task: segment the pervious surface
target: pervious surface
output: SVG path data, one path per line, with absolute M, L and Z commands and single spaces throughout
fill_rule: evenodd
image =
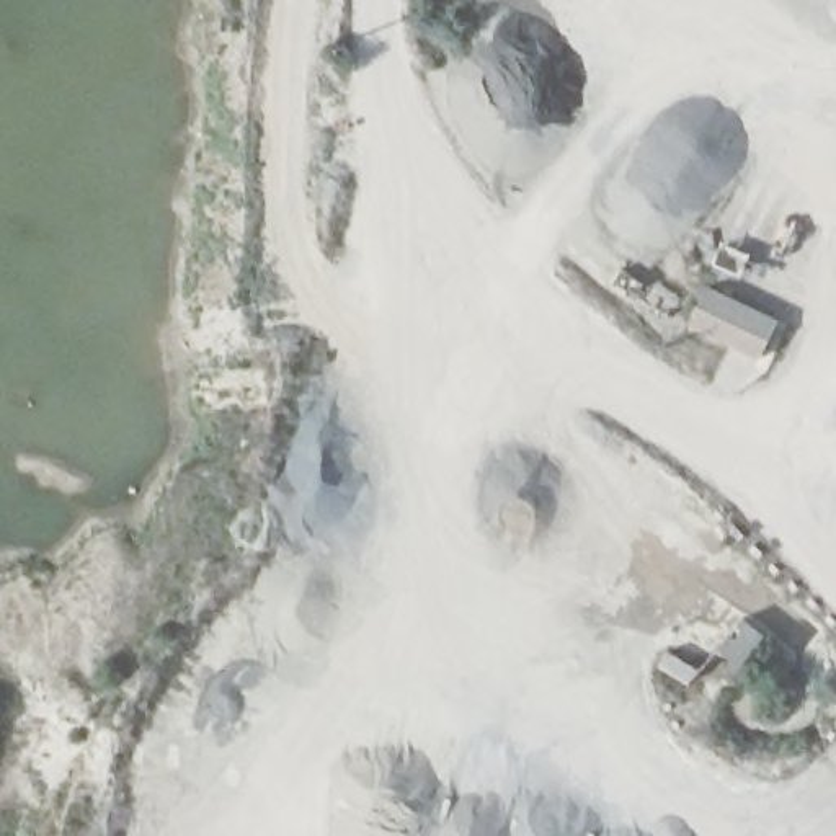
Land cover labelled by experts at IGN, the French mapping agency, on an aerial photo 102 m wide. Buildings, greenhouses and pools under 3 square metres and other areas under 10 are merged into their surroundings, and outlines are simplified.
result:
M 307 392 L 297 402 L 300 425 L 287 451 L 284 477 L 268 490 L 268 500 L 261 506 L 242 509 L 229 523 L 235 549 L 265 549 L 274 555 L 274 562 L 261 571 L 258 585 L 245 591 L 238 601 L 232 601 L 229 611 L 206 630 L 196 653 L 186 656 L 180 679 L 170 686 L 144 738 L 131 732 L 114 738 L 111 732 L 105 732 L 101 722 L 95 722 L 85 712 L 82 692 L 69 686 L 65 669 L 95 673 L 95 666 L 101 663 L 108 656 L 108 640 L 118 624 L 118 614 L 111 611 L 114 568 L 124 562 L 124 555 L 105 516 L 88 516 L 56 549 L 0 549 L 0 673 L 13 679 L 23 692 L 23 712 L 13 722 L 13 735 L 7 741 L 7 758 L 0 767 L 0 836 L 836 836 L 836 702 L 803 699 L 803 705 L 790 718 L 774 722 L 758 715 L 754 696 L 745 696 L 735 705 L 741 725 L 767 735 L 784 735 L 810 725 L 826 741 L 826 751 L 816 758 L 738 758 L 735 748 L 712 748 L 715 699 L 725 686 L 715 676 L 718 656 L 712 656 L 718 643 L 728 634 L 735 634 L 745 620 L 761 637 L 771 637 L 784 647 L 800 643 L 803 650 L 810 650 L 810 656 L 816 656 L 823 669 L 833 669 L 829 686 L 836 692 L 836 0 L 425 0 L 431 3 L 434 16 L 454 13 L 460 23 L 457 42 L 464 59 L 434 69 L 418 56 L 411 42 L 405 23 L 408 0 L 193 0 L 180 29 L 186 52 L 183 62 L 193 75 L 193 140 L 183 160 L 183 189 L 173 199 L 173 212 L 180 219 L 173 300 L 170 317 L 160 323 L 157 333 L 160 369 L 170 398 L 180 385 L 189 398 L 206 398 L 206 405 L 216 411 L 278 405 L 284 392 L 284 362 L 297 349 L 297 340 L 304 340 L 310 330 L 336 349 L 336 359 L 323 369 L 323 376 L 307 379 Z M 362 36 L 366 56 L 372 62 L 359 65 L 356 72 L 336 69 L 323 56 L 323 49 L 336 42 L 336 36 L 343 33 Z M 265 268 L 271 268 L 281 281 L 281 300 L 258 304 L 261 310 L 284 310 L 284 317 L 265 320 L 261 340 L 245 330 L 242 310 L 235 304 L 235 281 L 245 251 L 245 111 L 258 111 L 265 118 Z M 692 294 L 699 300 L 696 310 L 705 314 L 725 294 L 771 317 L 774 333 L 767 340 L 767 353 L 725 353 L 699 333 L 656 333 L 640 310 L 643 300 L 656 307 L 663 291 L 669 291 L 673 297 Z M 653 673 L 653 656 L 666 647 L 676 660 L 692 666 L 689 683 L 676 683 L 666 673 Z

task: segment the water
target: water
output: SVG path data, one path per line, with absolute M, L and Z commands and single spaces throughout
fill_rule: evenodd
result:
M 131 503 L 127 487 L 147 490 L 157 464 L 167 457 L 173 434 L 170 398 L 160 369 L 157 333 L 160 323 L 170 317 L 173 300 L 180 219 L 173 212 L 173 199 L 183 189 L 183 160 L 193 140 L 193 75 L 183 62 L 186 52 L 180 29 L 193 0 L 0 0 L 0 549 L 56 549 L 88 516 L 105 516 Z

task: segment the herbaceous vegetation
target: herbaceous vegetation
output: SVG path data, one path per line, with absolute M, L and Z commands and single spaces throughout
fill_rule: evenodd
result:
M 738 758 L 816 758 L 826 751 L 826 741 L 810 725 L 784 735 L 767 735 L 741 725 L 735 705 L 745 696 L 741 686 L 732 686 L 725 686 L 715 699 L 712 748 L 735 748 Z
M 131 732 L 144 738 L 170 686 L 180 679 L 186 656 L 196 653 L 206 630 L 229 611 L 232 601 L 238 601 L 245 591 L 258 585 L 261 571 L 274 562 L 274 555 L 265 549 L 235 549 L 229 523 L 242 509 L 261 506 L 268 500 L 268 490 L 284 477 L 287 451 L 300 425 L 297 402 L 307 392 L 307 379 L 323 376 L 323 369 L 336 359 L 336 349 L 310 330 L 304 340 L 297 340 L 297 349 L 284 362 L 284 392 L 278 405 L 216 411 L 206 405 L 206 398 L 189 398 L 180 385 L 170 398 L 173 434 L 167 457 L 157 464 L 147 490 L 127 487 L 131 503 L 105 516 L 124 555 L 124 562 L 114 568 L 111 611 L 118 614 L 118 624 L 108 640 L 108 656 L 121 650 L 134 653 L 134 676 L 114 686 L 108 666 L 101 663 L 95 666 L 95 673 L 65 669 L 69 686 L 82 692 L 85 712 L 95 722 L 101 722 L 105 732 L 111 732 L 114 738 Z
M 242 310 L 245 330 L 261 340 L 265 320 L 284 317 L 284 310 L 261 310 L 258 304 L 281 300 L 281 281 L 271 268 L 265 268 L 265 118 L 258 111 L 245 111 L 245 251 L 235 281 L 235 304 Z
M 7 758 L 7 741 L 13 735 L 13 722 L 23 712 L 23 692 L 13 679 L 0 673 L 0 767 Z

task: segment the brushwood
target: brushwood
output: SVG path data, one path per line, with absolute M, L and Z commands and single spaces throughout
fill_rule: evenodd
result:
M 336 42 L 323 49 L 323 56 L 336 69 L 356 72 L 359 65 L 372 62 L 366 56 L 362 36 L 343 33 L 336 36 Z
M 745 696 L 754 696 L 758 715 L 774 722 L 790 718 L 803 705 L 803 699 L 836 702 L 836 692 L 829 686 L 833 669 L 823 669 L 816 656 L 810 656 L 810 650 L 803 650 L 800 643 L 784 647 L 771 637 L 761 637 L 732 686 L 741 686 Z
M 101 663 L 108 666 L 114 686 L 134 676 L 134 653 L 121 650 L 108 656 Z
M 408 0 L 405 23 L 411 42 L 418 56 L 434 69 L 464 59 L 457 42 L 460 23 L 454 13 L 434 16 L 431 3 L 425 0 Z

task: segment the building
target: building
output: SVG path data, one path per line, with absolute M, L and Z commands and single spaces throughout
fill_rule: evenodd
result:
M 692 294 L 673 297 L 669 291 L 663 291 L 656 307 L 643 300 L 640 310 L 656 333 L 699 333 L 725 353 L 767 353 L 767 340 L 774 333 L 771 317 L 725 294 L 705 314 L 696 310 L 699 300 Z
M 735 634 L 728 634 L 718 643 L 712 656 L 718 656 L 715 676 L 725 686 L 732 686 L 761 637 L 745 620 Z
M 689 683 L 692 666 L 676 660 L 666 647 L 653 656 L 653 673 L 666 673 L 676 683 Z

